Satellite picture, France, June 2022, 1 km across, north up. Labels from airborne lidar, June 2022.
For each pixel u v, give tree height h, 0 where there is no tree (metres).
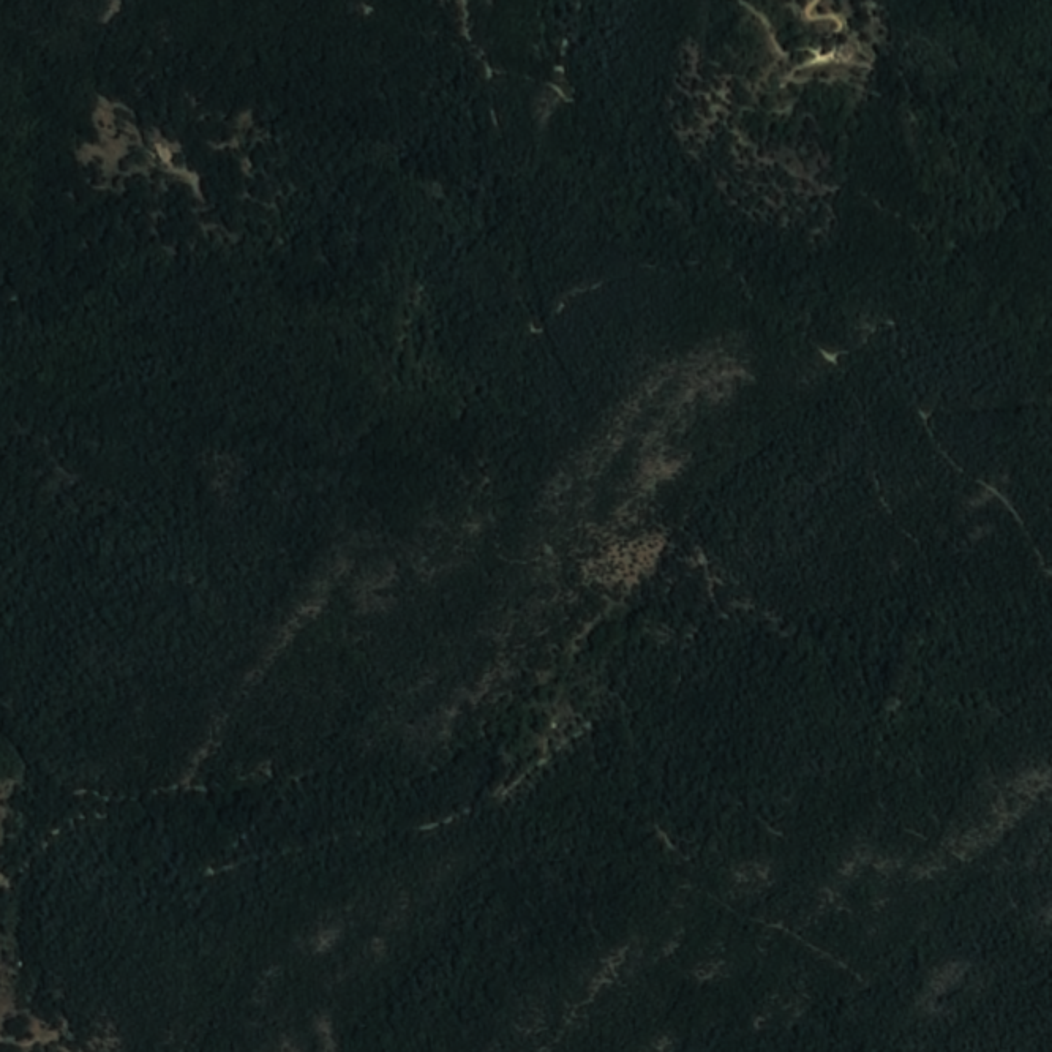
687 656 6
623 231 11
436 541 8
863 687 12
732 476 13
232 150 11
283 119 22
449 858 6
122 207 12
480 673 9
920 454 8
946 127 12
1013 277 10
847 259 10
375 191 12
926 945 10
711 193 9
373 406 9
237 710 9
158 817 11
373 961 6
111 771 7
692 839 11
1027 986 6
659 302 9
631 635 7
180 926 6
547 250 11
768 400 7
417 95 15
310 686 7
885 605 11
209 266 7
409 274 7
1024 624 8
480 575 8
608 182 8
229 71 19
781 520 7
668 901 9
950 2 6
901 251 8
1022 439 12
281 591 5
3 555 24
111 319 14
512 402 11
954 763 7
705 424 7
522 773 9
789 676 12
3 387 9
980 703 16
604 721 7
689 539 11
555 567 7
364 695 6
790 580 9
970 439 11
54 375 15
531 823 13
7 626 13
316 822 9
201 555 13
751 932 17
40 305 17
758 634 11
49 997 8
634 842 7
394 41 10
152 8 11
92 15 7
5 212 10
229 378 12
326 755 12
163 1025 6
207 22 9
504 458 10
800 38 10
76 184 23
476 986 6
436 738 6
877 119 10
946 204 14
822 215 12
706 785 9
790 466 10
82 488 14
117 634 11
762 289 11
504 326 12
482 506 11
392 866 10
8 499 15
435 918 11
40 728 16
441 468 10
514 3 10
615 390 8
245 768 8
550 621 7
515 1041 10
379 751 8
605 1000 7
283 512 7
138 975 7
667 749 11
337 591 7
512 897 7
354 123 18
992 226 8
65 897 9
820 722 13
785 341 9
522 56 12
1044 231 13
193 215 10
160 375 17
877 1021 7
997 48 9
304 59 14
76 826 11
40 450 10
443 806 9
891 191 10
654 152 9
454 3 10
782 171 13
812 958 6
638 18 10
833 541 6
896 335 15
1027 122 8
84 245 15
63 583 11
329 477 11
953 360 18
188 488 11
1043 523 7
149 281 10
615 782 10
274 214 11
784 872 6
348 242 10
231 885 7
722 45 11
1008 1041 7
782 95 6
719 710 9
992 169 10
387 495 12
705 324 5
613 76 6
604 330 11
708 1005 7
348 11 11
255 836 10
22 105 9
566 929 6
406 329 9
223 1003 12
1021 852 7
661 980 6
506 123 10
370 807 11
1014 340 12
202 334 11
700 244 8
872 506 10
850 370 8
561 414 9
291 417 10
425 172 17
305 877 11
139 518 8
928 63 8
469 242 8
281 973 8
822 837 11
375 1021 12
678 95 6
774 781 7
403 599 8
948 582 11
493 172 7
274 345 11
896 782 8
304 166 14
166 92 15
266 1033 12
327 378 8
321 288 18
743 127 8
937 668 17
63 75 14
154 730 10
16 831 9
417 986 10
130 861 9
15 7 12
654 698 7
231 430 11
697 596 11
